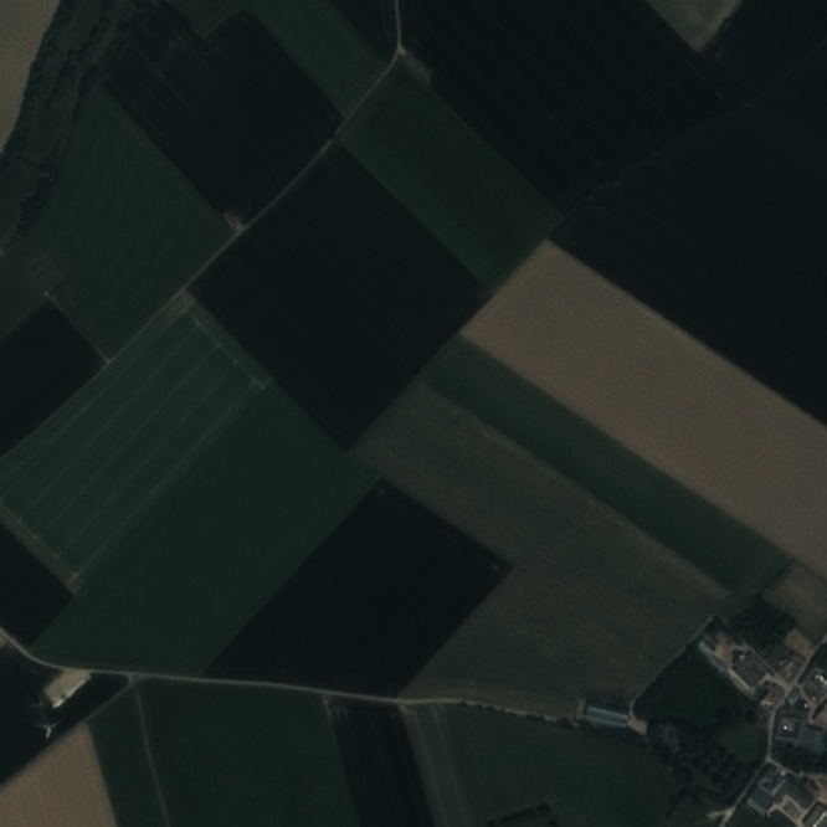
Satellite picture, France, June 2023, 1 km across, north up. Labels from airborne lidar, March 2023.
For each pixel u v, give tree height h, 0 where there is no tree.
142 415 0
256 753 0
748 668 0
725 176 0
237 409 0
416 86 0
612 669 0
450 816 0
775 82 0
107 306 0
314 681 0
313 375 0
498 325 0
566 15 0
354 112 0
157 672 0
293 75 0
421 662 0
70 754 0
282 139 0
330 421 0
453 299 0
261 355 0
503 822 9
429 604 0
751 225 0
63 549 0
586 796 0
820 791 0
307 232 0
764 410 0
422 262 0
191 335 0
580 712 0
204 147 0
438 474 0
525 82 0
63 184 0
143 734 0
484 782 0
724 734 0
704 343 0
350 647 0
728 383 0
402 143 0
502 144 0
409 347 0
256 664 0
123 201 0
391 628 0
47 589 0
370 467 0
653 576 0
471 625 0
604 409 0
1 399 0
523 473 0
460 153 0
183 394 0
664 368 0
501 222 0
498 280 0
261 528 0
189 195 0
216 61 0
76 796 0
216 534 0
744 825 0
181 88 0
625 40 0
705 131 0
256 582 0
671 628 0
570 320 0
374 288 0
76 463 0
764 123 0
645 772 0
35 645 0
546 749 0
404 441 0
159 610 0
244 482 0
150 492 0
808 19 0
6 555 0
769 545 0
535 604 0
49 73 0
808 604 0
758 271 0
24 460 0
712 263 0
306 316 0
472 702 0
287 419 0
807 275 0
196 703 0
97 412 0
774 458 0
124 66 0
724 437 0
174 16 0
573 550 0
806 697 0
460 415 0
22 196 0
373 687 0
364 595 0
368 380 0
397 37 0
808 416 0
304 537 0
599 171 0
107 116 0
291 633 0
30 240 0
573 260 0
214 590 0
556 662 0
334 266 0
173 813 0
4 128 0
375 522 0
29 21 0
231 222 0
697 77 0
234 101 0
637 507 0
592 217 0
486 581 0
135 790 0
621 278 0
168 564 0
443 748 0
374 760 0
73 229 0
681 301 0
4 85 0
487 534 0
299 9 0
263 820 0
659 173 0
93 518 0
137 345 0
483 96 0
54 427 0
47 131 0
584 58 0
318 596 0
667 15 0
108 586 0
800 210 0
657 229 0
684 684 0
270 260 0
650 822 0
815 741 0
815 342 0
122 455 0
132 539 0
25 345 0
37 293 0
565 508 0
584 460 0
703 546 0
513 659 0
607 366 0
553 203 0
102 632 0
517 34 0
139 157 0
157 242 0
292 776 0
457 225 0
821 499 0
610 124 0
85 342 0
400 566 0
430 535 0
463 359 0
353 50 0
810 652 0
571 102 0
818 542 0
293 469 0
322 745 0
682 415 0
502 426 0
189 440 0
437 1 0
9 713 0
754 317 0
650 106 0
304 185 0
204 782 0
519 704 0
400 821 0
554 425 0
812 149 0
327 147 0
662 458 0
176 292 0
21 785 0
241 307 0
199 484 0
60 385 0
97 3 0
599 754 0
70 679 0
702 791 14
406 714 0
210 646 0
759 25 0
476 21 0
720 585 0
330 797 0
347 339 0
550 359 0
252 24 0
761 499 0
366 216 0
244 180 0
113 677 0
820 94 0
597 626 0
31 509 0
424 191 0
